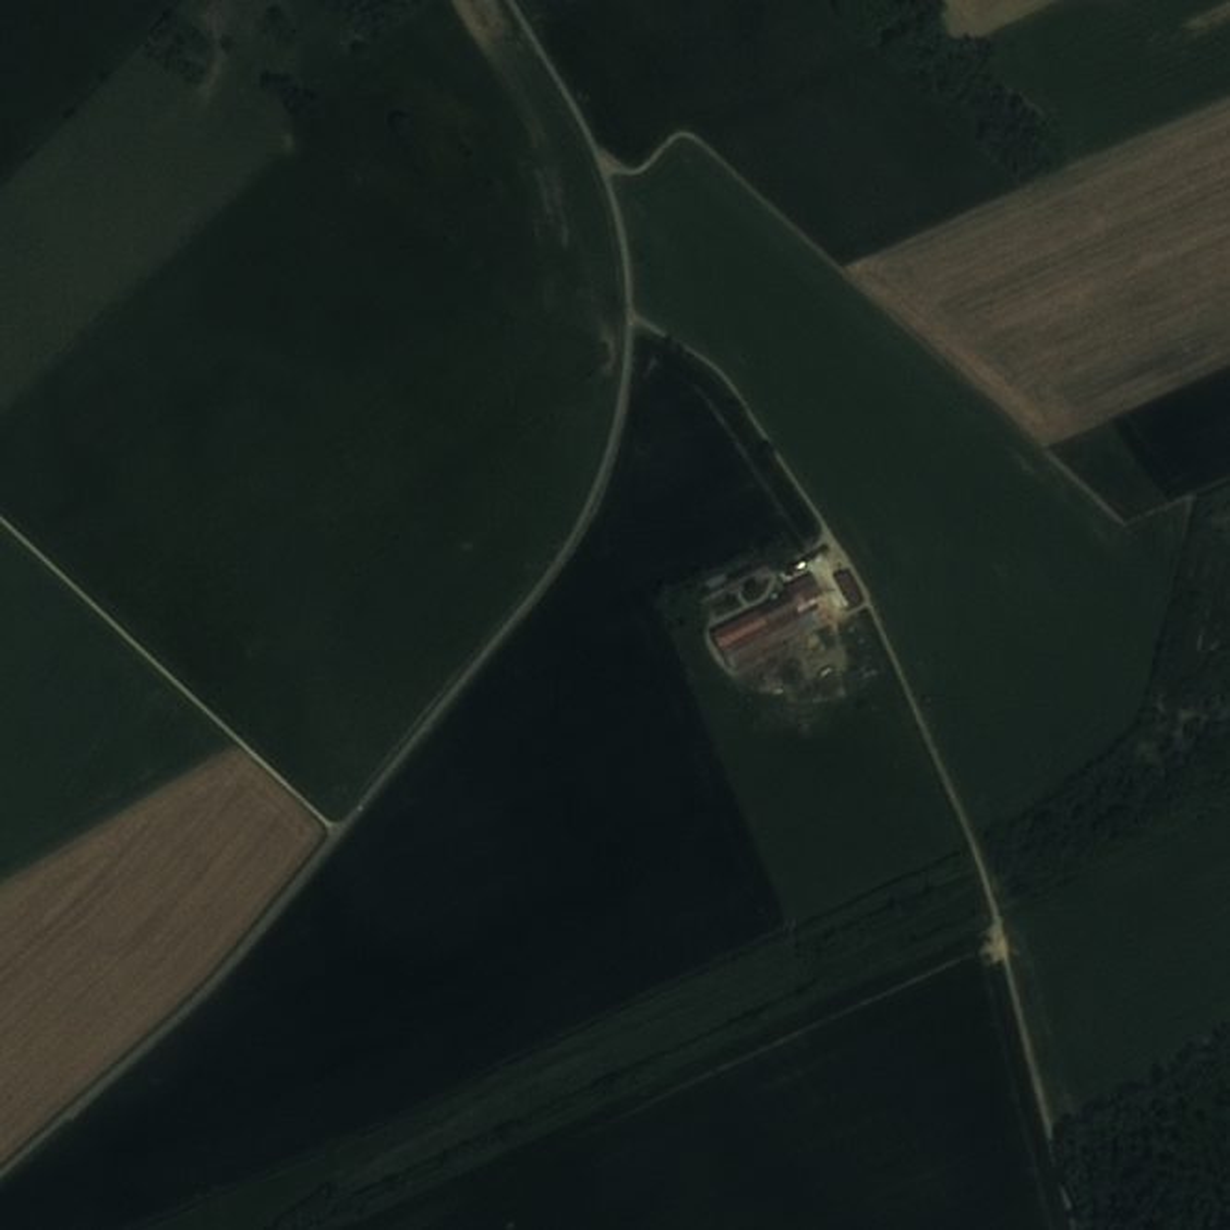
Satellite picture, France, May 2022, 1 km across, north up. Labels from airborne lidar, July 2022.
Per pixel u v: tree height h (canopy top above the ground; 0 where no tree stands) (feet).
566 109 0
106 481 0
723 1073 0
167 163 0
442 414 0
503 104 0
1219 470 0
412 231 0
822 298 0
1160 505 0
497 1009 0
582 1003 0
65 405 0
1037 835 35
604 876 0
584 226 0
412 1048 0
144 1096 0
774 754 0
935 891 27
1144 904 0
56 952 0
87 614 0
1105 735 0
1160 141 0
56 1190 0
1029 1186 0
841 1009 0
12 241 0
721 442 0
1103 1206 51
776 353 0
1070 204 0
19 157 0
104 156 0
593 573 0
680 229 0
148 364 0
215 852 0
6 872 0
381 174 0
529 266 0
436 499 0
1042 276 0
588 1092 20
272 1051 0
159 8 0
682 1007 0
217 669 0
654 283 0
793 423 0
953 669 0
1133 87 0
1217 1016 0
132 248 0
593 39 0
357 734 0
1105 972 0
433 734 0
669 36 0
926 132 0
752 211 0
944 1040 0
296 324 0
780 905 0
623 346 0
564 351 0
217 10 0
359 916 0
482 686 0
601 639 0
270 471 0
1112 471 0
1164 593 0
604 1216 0
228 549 0
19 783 0
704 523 0
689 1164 0
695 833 0
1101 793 39
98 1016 0
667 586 36
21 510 0
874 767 0
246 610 0
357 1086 0
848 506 0
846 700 0
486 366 0
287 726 0
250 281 0
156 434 0
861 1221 0
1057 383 0
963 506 0
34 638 0
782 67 0
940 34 43
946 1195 0
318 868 0
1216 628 0
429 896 0
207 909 0
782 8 0
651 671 0
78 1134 0
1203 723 26
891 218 0
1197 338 0
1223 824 0
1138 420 0
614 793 0
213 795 0
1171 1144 57
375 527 0
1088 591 0
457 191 0
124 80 0
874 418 0
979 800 0
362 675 0
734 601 27
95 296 0
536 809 0
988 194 0
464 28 0
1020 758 0
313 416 0
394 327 0
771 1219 0
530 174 0
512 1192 0
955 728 0
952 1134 0
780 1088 0
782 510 0
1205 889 0
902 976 0
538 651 0
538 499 0
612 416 0
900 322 0
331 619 0
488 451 0
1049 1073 0
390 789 0
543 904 0
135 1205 0
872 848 0
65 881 0
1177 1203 32
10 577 0
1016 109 54
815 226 0
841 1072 0
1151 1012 0
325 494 0
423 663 0
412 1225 0
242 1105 0
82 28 0
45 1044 0
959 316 0
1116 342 0
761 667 0
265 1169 0
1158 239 0
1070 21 0
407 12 57
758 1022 29
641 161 0
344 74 0
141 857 0
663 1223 0
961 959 0
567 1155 0
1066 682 0
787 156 0
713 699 0
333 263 0
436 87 0
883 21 46
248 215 0
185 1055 0
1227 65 0
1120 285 0
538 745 0
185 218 0
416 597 0
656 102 0
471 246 0
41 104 0
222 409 0
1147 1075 0
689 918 0
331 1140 0
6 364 0
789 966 0
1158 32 0
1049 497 0
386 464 0
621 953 0
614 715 0
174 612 0
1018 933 0
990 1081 0
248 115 0
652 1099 0
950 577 0
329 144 0
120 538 0
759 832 0
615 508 0
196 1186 0
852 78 0
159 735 0
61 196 0
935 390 0
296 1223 25
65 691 0
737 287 0
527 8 0
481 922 0
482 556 0
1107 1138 33
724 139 0
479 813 0
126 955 0
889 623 0
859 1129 0
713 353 0
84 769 0
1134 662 0
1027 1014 0
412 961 0
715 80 0
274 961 0
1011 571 0
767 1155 0
